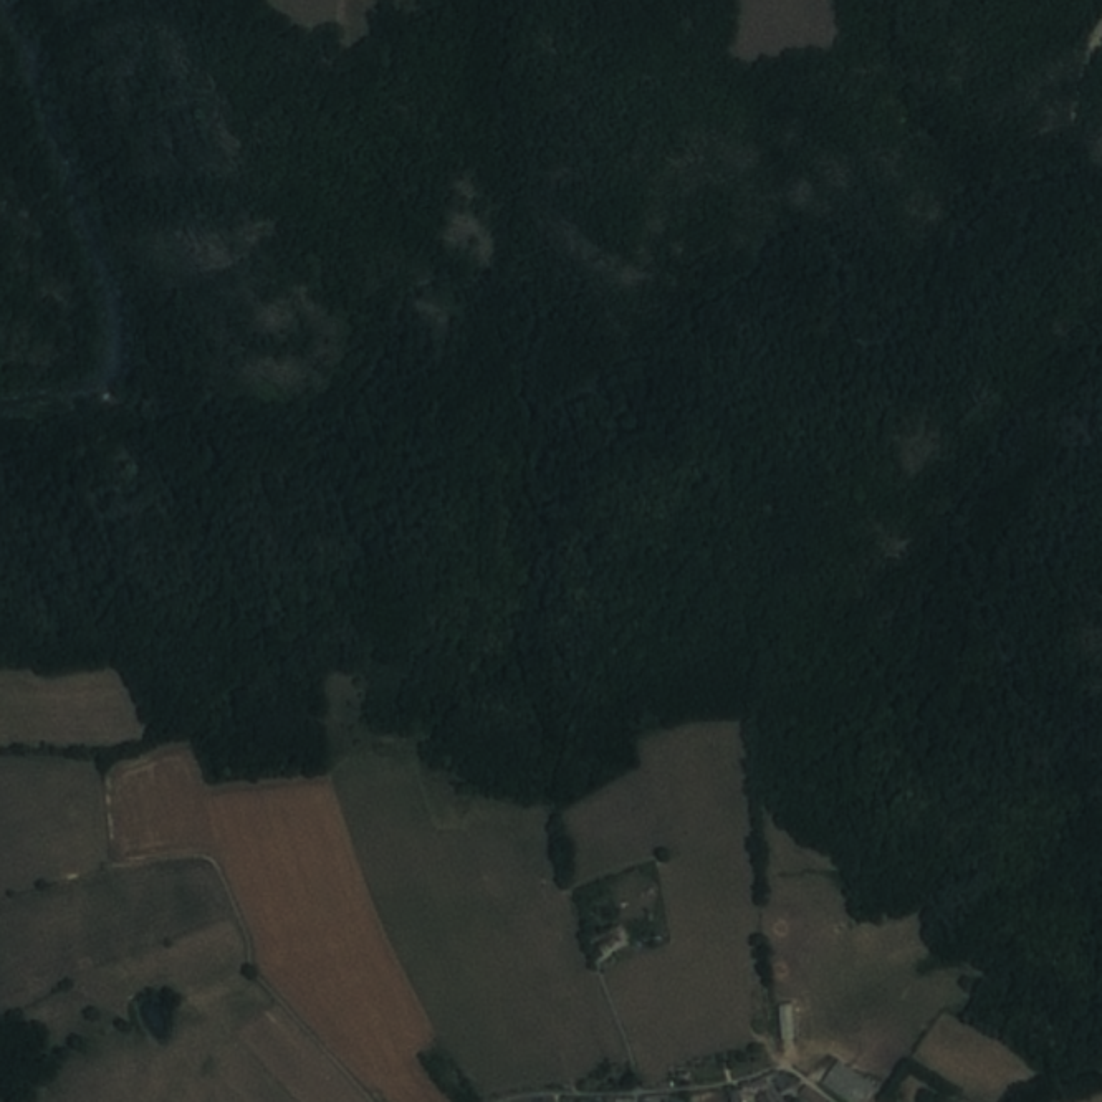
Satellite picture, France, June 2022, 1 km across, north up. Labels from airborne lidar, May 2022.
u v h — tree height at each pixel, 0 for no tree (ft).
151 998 43
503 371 74
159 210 41
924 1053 0
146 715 45
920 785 41
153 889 0
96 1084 0
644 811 0
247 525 46
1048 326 53
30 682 0
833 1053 0
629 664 41
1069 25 37
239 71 30
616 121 35
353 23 0
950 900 80
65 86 64
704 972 0
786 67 40
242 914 0
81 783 0
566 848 67
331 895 0
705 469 43
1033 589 54
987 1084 0
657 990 0
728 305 62
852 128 40
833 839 53
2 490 23
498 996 0
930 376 51
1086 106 35
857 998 0
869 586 32
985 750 52
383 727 33
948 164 22
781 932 0
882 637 65
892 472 29
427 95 35
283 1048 0
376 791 0
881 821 46
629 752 23
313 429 56
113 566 52
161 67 20
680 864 0
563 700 24
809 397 38
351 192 56
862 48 41
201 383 41
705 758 0
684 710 41
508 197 39
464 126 59
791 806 55
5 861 0
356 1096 0
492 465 57
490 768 51
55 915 0
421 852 0
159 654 54
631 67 40
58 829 0
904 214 35
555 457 75
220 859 0
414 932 0
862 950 0
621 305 19
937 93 42
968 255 70
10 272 28
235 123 33
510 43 58
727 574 47
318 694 49
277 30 57
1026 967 70
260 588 30
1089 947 70
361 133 59
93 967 0
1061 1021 67
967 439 53
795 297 43
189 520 58
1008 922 52
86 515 54
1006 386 28
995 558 88
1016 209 78
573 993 0
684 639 40
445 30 49
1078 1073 33
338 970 0
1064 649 44
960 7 43
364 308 41
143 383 116
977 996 40
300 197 53
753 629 32
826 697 66
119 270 54
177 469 70
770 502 55
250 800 0
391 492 72
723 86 40
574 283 39
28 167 19
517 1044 0
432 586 41
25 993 0
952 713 63
